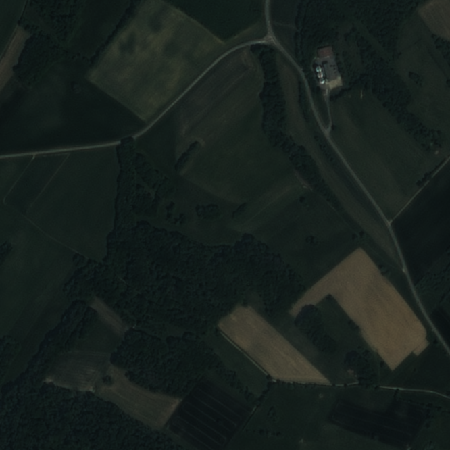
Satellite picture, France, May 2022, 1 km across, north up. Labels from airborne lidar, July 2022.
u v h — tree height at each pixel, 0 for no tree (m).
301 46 20
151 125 0
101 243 0
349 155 0
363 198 0
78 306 18
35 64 24
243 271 21
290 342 0
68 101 0
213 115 0
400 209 0
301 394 0
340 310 0
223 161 0
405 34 0
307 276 0
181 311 13
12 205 0
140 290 20
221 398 0
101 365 0
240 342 0
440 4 0
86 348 0
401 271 0
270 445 0
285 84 0
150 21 0
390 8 16
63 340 21
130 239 26
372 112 0
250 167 0
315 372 0
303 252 0
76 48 0
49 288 0
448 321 0
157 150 0
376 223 0
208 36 0
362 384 13
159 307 21
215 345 0
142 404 0
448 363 0
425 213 0
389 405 0
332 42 15
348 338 0
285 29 0
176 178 0
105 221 0
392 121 0
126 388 0
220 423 11
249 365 0
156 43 0
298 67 0
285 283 25
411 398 0
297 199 0
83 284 22
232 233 0
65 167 0
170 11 0
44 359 17
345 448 0
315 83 8
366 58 15
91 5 0
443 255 0
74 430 12
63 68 0
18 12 0
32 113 0
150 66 0
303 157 23
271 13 0
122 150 16
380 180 0
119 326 0
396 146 0
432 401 0
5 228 0
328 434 0
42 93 0
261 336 0
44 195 0
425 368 0
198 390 0
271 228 0
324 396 0
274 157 0
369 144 0
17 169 0
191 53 0
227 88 0
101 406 26
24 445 30
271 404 0
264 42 0
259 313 0
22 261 0
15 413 29
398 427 0
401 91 19
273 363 0
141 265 26
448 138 0
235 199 0
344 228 0
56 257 0
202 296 20
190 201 0
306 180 9
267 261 29
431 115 0
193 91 0
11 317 0
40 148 0
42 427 32
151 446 28
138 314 22
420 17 0
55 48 21
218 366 17
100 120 0
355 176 0
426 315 0
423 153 0
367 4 17
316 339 26
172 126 0
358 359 28
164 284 22
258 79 0
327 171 0
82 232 0
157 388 14
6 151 0
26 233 0
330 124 0
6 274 0
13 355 12
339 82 0
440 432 0
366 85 16
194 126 0
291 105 0
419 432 0
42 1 20
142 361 19
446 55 9
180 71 0
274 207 0
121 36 0
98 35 0
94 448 29
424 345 0
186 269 23
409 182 0
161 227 0
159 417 0
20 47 0
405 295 0
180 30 0
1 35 0
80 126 0
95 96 0
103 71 0
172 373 25
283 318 0
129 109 0
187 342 23
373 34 16
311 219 0
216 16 10
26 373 8
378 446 0
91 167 0
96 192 0
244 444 0
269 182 0
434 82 0
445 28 0
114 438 26
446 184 0
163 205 0
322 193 14
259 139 0
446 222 0
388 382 0
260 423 0
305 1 14
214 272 25
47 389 22
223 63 0
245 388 12
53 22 6
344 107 0
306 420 0
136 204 21
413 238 0
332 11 18
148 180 20
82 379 0
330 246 0
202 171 0
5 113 0
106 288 26
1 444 27
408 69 0
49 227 0
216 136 0
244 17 8
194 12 9
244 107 0
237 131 0
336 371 0
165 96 0
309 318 28
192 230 0
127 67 0
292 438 0
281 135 23
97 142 0
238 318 0
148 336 18
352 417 0
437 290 8
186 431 0
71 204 0
